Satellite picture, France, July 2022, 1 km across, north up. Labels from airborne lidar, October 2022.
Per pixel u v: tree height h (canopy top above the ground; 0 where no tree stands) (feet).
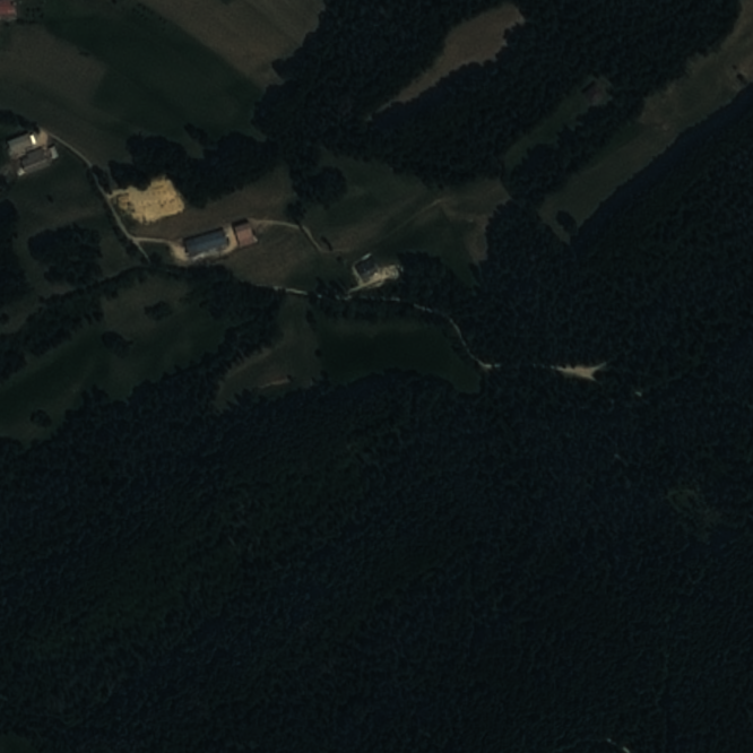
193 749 77
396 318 75
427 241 0
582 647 108
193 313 0
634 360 42
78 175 0
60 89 0
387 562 64
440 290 67
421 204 0
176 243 0
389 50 57
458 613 88
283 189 0
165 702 100
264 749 53
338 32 59
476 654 97
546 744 67
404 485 98
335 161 0
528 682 107
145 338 0
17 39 0
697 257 28
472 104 73
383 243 0
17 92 0
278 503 72
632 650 99
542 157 82
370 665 56
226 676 67
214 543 85
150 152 71
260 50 0
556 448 71
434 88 0
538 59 69
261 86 0
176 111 0
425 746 99
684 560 98
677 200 62
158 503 91
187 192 71
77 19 0
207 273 71
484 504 64
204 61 0
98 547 114
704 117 0
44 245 81
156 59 0
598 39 78
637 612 100
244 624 41
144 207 0
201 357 0
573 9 70
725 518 104
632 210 101
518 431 112
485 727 105
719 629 80
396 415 62
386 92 84
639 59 63
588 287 60
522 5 51
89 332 0
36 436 0
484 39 0
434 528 93
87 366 0
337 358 0
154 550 63
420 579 81
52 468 20
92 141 0
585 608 106
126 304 0
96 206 0
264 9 0
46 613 66
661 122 0
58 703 77
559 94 55
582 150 93
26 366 0
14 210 83
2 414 0
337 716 19
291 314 0
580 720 79
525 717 89
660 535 99
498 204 0
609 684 76
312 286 0
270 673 77
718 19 69
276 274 0
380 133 79
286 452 51
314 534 99
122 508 86
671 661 66
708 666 58
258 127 37
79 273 34
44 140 0
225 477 78
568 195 0
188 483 99
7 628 81
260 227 0
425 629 88
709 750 87
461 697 103
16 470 31
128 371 0
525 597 97
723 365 98
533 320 47
